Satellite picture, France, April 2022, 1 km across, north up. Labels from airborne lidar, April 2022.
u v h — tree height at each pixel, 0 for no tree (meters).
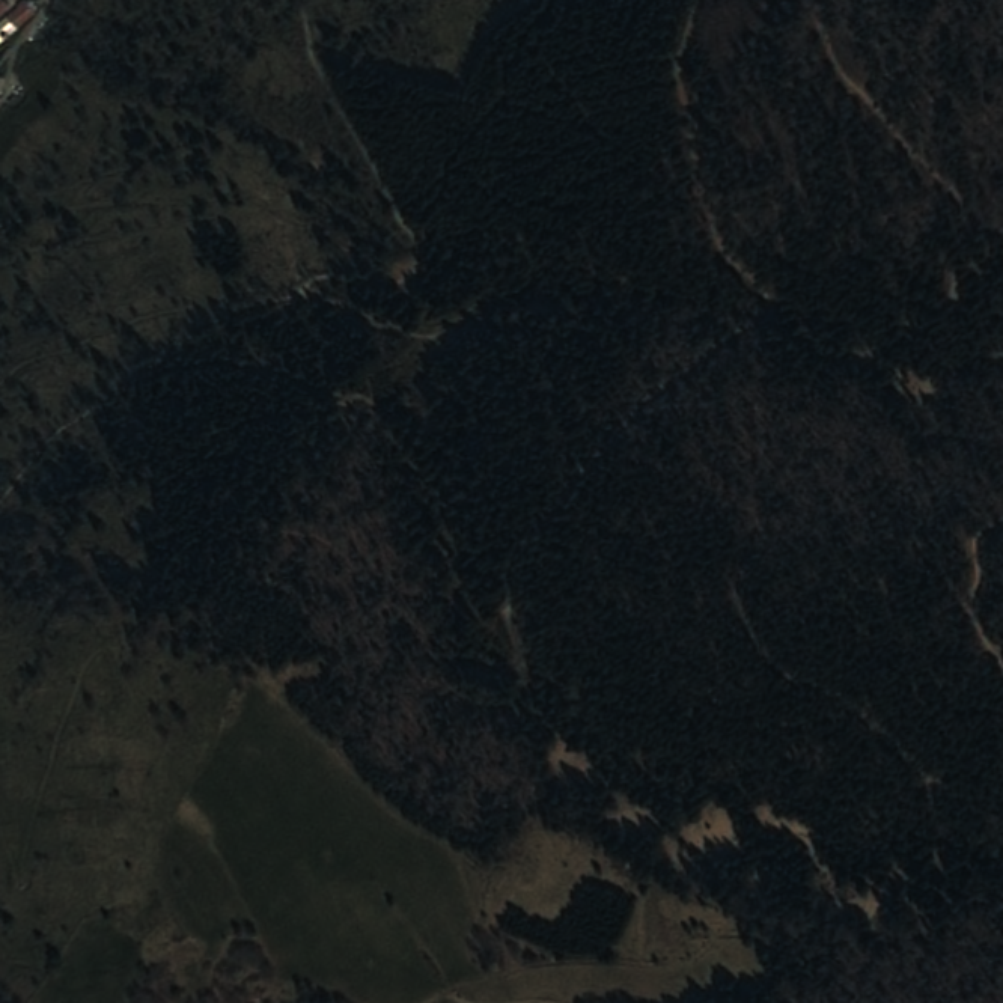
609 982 0
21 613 0
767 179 32
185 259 0
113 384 7
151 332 0
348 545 26
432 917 0
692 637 24
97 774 0
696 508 20
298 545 6
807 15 23
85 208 0
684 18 21
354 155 14
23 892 0
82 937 0
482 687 38
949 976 24
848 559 23
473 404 32
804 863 25
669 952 0
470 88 22
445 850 0
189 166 9
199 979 0
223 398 19
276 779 0
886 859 21
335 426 8
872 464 25
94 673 0
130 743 0
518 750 32
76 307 0
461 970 0
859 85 10
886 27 23
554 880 0
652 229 32
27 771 0
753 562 25
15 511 0
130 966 0
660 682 20
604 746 26
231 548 25
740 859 28
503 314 19
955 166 30
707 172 28
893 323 21
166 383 22
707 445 25
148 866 0
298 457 26
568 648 23
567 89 16
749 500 22
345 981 0
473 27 0
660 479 29
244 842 0
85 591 19
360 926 0
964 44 21
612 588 14
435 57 0
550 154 17
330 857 0
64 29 14
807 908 28
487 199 19
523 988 0
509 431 24
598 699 31
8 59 0
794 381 24
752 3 10
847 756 22
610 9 25
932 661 16
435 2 0
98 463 9
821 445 23
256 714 0
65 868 0
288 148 9
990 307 21
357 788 0
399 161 16
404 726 32
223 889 0
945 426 19
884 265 26
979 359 18
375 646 34
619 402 20
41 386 0
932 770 27
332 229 13
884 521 23
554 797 15
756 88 9
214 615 12
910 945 29
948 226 28
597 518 24
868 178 29
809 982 20
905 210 27
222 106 16
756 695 16
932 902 26
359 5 0
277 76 0
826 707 27
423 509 34
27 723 0
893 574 29
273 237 0
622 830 16
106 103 0
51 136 0
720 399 27
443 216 18
